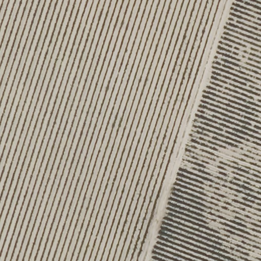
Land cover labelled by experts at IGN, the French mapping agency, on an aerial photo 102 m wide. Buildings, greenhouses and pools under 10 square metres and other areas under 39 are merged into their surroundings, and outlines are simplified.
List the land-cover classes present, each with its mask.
<instances>
[{"label":"vineyard","instance_id":"1","mask_svg":"<svg viewBox=\"0 0 261 261\"><path fill-rule=\"evenodd\" d=\"M0 261H261V0H0Z\"/></svg>","mask_w":261,"mask_h":261}]
</instances>
